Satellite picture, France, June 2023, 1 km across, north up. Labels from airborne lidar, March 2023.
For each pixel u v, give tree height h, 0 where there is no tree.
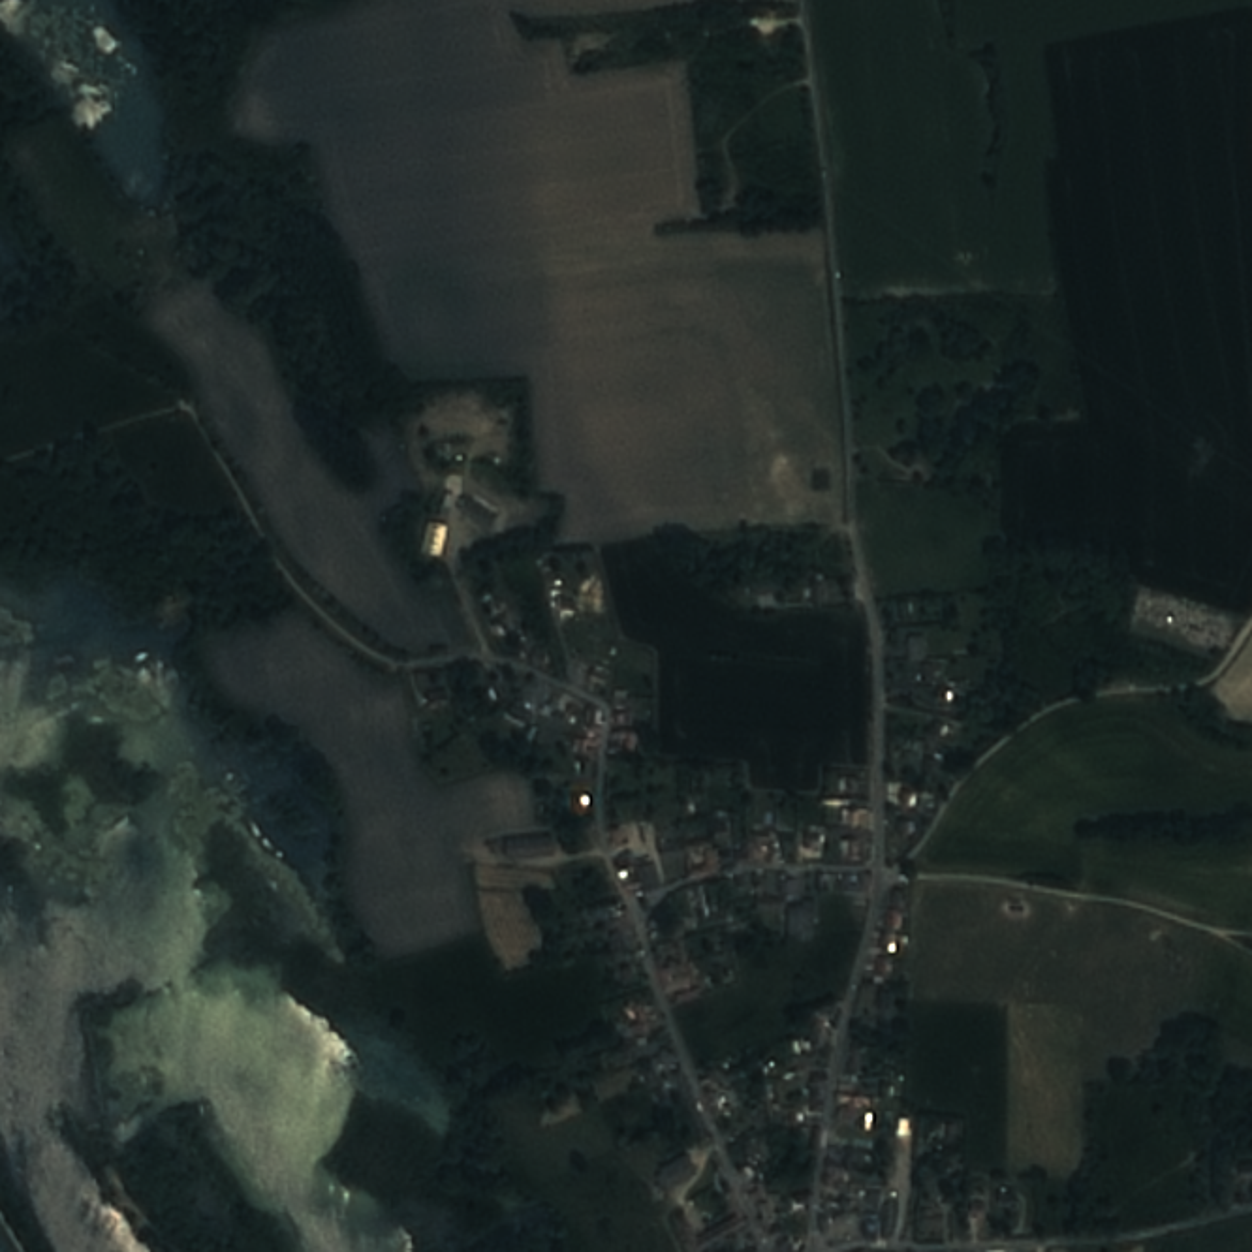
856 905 0
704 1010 0
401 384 9
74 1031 0
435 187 0
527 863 0
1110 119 0
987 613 5
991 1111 0
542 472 0
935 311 11
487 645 0
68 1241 0
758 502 0
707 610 0
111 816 0
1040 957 0
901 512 0
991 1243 0
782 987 0
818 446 0
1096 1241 0
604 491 0
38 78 7
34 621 0
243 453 0
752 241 0
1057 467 0
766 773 0
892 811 8
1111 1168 0
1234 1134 11
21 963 0
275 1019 0
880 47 0
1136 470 0
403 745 0
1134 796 0
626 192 0
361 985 0
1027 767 0
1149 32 0
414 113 0
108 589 8
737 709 0
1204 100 0
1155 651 5
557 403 0
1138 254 0
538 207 0
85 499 8
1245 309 0
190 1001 0
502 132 0
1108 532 0
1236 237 0
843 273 0
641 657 0
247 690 0
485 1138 22
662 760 14
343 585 0
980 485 13
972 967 0
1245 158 0
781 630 0
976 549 0
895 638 8
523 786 0
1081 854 0
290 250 13
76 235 0
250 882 0
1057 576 17
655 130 0
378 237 0
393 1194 0
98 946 0
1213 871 0
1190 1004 0
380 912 0
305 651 0
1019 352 0
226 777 0
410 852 0
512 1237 26
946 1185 13
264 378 0
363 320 26
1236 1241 0
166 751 0
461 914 0
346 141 0
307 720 0
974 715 12
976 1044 0
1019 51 0
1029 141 0
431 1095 0
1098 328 0
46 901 0
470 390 0
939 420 15
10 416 0
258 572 20
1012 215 0
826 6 0
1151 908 0
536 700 0
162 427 0
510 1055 0
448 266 0
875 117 0
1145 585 0
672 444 0
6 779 0
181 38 24
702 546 13
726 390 0
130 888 0
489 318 0
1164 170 0
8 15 0
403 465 0
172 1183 7
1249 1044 0
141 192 0
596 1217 0
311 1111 0
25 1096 0
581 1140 0
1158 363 0
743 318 0
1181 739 0
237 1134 0
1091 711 0
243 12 35
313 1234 0
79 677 0
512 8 0
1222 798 0
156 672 0
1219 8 0
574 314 0
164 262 0
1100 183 0
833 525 0
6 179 9
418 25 0
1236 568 0
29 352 0
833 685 0
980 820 0
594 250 0
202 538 8
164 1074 0
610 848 0
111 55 0
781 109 0
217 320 0
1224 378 0
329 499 0
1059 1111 0
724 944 6
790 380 0
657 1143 0
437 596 0
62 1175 0
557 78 0
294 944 0
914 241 0
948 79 0
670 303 0
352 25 0
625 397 0
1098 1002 0
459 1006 0
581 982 0
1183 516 0
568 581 0
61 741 0
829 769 6
